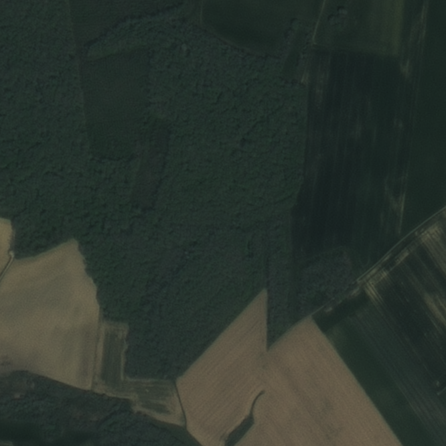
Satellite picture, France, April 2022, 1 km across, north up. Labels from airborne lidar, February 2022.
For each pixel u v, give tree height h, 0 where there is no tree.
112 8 7
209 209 22
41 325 0
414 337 0
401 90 0
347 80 0
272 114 27
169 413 0
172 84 27
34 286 0
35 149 26
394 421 0
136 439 24
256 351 0
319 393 0
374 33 0
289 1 0
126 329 0
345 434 0
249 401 0
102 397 7
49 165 27
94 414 0
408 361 0
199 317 24
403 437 0
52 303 0
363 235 0
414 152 0
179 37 23
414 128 0
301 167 13
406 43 0
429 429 0
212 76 30
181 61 24
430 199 0
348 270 26
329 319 0
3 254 0
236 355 0
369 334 0
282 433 0
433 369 0
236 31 0
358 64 0
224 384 0
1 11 27
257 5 0
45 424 16
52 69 24
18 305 0
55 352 0
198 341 26
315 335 0
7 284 0
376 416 0
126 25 27
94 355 0
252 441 0
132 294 26
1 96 26
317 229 0
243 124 27
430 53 0
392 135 0
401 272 0
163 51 28
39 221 27
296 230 0
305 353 0
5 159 22
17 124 28
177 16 29
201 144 26
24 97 28
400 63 0
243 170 30
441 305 0
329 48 0
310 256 0
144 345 25
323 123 0
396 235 0
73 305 0
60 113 24
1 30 20
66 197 27
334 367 0
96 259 23
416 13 0
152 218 26
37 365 0
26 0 29
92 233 23
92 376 0
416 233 0
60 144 27
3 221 0
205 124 23
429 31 0
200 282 23
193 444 0
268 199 26
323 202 0
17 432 0
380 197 0
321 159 0
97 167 25
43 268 0
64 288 0
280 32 0
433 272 0
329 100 0
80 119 26
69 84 23
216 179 23
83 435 0
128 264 22
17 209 25
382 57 0
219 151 27
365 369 0
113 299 25
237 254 26
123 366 0
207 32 13
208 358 0
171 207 24
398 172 0
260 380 0
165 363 7
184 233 29
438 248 0
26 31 25
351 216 0
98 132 5
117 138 6
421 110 0
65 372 0
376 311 0
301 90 20
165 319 25
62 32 28
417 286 0
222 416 0
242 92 24
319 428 0
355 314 0
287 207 20
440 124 0
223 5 0
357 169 0
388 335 0
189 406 0
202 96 26
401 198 0
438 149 0
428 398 0
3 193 25
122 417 20
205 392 0
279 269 24
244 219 25
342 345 0
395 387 0
